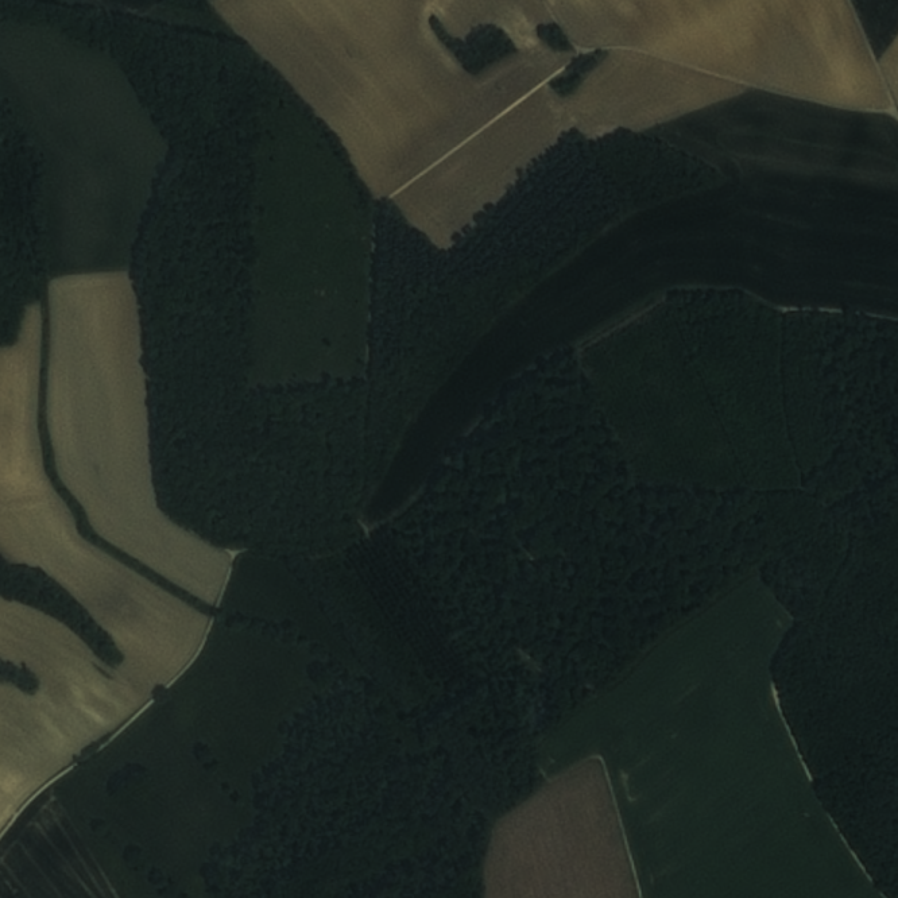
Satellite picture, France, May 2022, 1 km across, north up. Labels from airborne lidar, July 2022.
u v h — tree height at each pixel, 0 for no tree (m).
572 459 24
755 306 9
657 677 0
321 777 33
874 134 0
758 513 6
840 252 0
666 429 6
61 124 0
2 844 0
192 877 0
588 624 28
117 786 21
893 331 25
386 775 35
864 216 0
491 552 29
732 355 16
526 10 0
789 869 0
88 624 20
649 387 8
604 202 14
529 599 30
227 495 16
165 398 21
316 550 19
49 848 0
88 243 0
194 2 16
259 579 0
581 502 25
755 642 0
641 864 0
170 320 21
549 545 29
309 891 30
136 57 22
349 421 15
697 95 0
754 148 0
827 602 17
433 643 17
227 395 18
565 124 0
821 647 17
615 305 0
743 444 14
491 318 16
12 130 17
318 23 0
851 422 11
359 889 7
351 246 0
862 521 25
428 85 0
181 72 23
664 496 27
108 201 0
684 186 16
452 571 21
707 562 24
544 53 0
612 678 11
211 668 0
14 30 0
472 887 24
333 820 25
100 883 0
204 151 21
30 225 6
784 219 0
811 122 0
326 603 29
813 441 16
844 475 30
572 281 0
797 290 0
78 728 0
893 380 26
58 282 0
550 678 27
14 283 19
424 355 16
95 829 15
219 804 0
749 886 0
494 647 20
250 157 22
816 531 17
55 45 0
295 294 0
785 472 14
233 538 21
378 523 0
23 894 0
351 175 10
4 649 0
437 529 21
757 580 0
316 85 0
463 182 0
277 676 0
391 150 0
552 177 18
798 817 0
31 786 0
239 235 20
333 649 0
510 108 0
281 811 31
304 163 0
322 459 17
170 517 18
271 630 15
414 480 0
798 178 0
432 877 38
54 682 0
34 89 0
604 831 0
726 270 0
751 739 0
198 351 19
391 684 35
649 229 0
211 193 20
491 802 36
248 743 0
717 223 0
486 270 14
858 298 0
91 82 0
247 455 19
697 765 0
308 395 20
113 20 19
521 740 22
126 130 0
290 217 0
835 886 0
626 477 31
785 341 15
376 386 14
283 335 0
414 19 0
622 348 6
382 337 12
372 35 0
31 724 0
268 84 17
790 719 12
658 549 28
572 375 28
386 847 31
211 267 18
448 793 27
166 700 14
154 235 17
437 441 0
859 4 0
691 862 0
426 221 0
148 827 0
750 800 0
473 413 0
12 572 10
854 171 0
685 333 12
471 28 0
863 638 16
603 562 29
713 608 0
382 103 0
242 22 0
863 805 22
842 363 25
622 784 0
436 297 12
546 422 26
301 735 21
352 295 0
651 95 0
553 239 18
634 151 18
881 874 17
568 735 0
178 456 19
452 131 0
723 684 0
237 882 31
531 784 20
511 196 14
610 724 0
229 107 21
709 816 0
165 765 0
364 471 17
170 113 24
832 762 17
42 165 17
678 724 0
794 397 17
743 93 0
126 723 0
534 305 0
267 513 17
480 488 23
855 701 17
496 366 0
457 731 36
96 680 0
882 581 16
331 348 19
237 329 13
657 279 0
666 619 24
